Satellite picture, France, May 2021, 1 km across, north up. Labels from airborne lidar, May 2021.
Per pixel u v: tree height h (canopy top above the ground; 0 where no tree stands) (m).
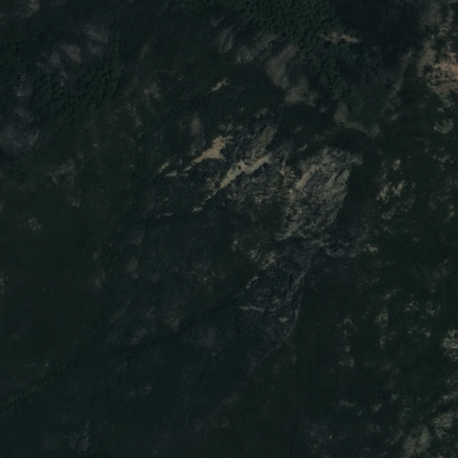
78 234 6
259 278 6
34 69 9
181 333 6
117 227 6
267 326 0
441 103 8
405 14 5
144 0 5
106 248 6
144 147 6
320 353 6
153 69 7
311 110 6
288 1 24
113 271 6
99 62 7
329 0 9
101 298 6
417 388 6
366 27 10
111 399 6
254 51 0
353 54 12
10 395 11
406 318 5
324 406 6
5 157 7
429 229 6
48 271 6
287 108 6
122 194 6
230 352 5
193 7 16
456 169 6
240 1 17
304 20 17
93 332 6
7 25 7
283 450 6
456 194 6
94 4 7
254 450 7
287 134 7
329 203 0
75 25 6
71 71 6
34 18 6
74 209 5
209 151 0
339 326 5
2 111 7
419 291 7
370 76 7
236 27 5
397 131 6
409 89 6
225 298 7
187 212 6
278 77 0
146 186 6
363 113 0
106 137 7
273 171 0
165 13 6
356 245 0
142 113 6
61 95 12
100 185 6
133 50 7
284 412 7
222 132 6
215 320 6
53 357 7
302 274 0
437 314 7
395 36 7
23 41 9
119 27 7
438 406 6
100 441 6
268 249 7
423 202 6
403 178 7
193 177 7
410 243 6
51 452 7
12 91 10
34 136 0
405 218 6
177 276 6
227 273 6
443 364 8
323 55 13
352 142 6
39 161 6
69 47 0
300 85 0
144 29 6
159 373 6
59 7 6
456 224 6
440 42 6
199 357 5
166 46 6
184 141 6
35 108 7
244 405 6
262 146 0
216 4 9
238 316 5
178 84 7
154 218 6
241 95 6
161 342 8
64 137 8
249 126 7
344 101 8
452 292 7
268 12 18
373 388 5
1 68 10
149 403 6
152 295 6
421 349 6
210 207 6
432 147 6
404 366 6
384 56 9
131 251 6
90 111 15
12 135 0
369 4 7
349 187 5
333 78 14
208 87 6
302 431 6
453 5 6
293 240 6
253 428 8
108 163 6
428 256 6
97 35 0
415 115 6
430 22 0
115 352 6
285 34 14
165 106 6
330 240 6
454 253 8
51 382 6
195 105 8
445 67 0
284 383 6
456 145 8
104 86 17
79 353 8
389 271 6
